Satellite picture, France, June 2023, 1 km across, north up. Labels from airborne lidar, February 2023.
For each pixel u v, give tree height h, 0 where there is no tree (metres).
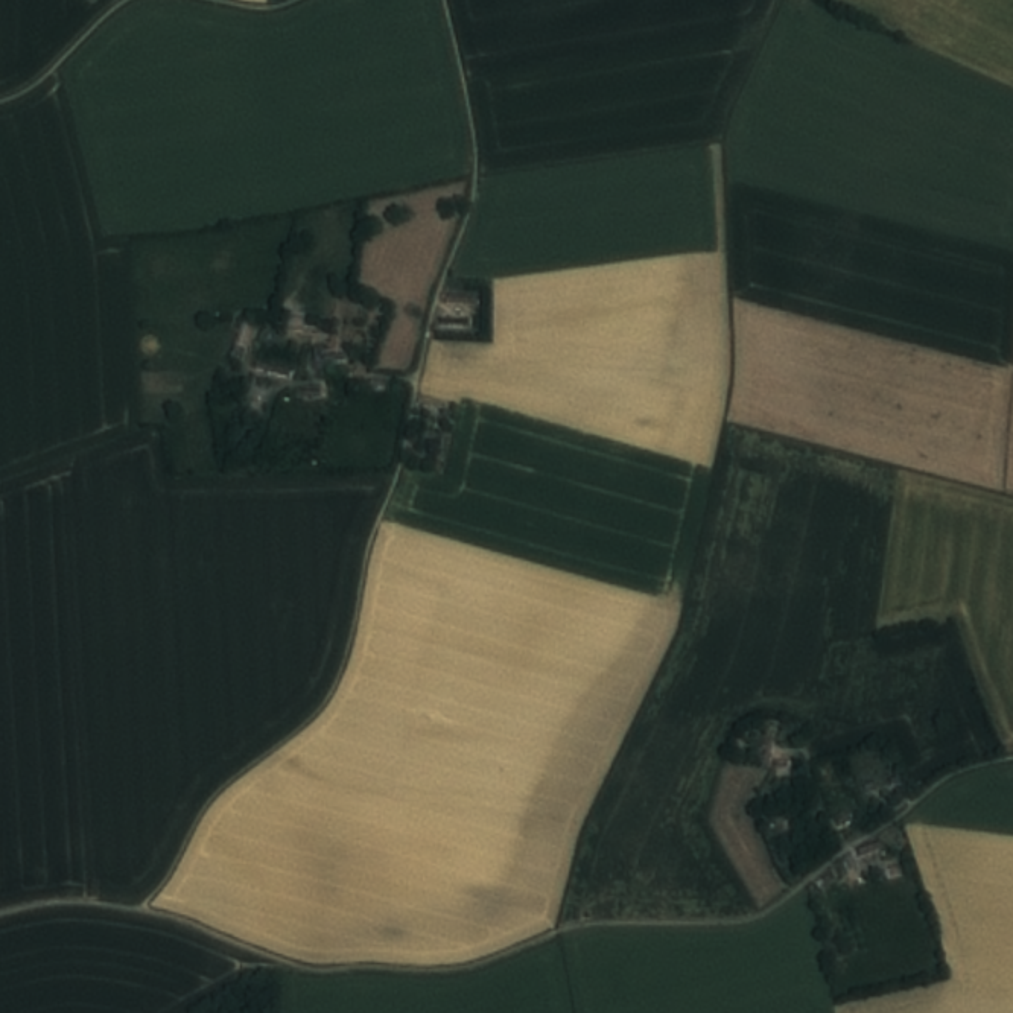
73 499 0
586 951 0
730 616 0
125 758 0
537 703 0
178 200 0
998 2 0
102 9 0
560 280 0
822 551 0
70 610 0
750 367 0
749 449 0
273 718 0
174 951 0
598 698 0
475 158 0
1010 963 0
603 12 0
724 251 0
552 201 0
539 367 0
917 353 0
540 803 0
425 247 0
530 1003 0
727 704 0
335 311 0
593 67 0
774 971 0
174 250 0
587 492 0
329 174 0
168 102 0
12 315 0
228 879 0
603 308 0
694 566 0
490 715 0
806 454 0
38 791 0
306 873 0
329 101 0
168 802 0
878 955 0
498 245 0
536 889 0
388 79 0
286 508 0
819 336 0
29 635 0
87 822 0
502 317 0
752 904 0
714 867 0
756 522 0
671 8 0
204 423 0
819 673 0
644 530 0
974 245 0
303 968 0
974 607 0
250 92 0
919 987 11
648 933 0
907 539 0
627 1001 0
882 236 0
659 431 0
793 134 0
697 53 0
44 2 0
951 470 0
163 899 0
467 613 0
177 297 0
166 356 0
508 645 0
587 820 0
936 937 10
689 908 0
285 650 0
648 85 0
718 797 0
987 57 0
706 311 0
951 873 0
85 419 0
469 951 0
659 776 0
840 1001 8
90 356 0
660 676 0
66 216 0
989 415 0
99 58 0
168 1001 0
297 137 0
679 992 0
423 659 0
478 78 0
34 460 0
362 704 0
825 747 0
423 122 0
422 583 0
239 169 0
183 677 0
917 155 0
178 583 0
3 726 0
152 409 0
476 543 0
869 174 0
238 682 0
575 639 0
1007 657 0
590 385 0
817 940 13
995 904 0
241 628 0
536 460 0
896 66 0
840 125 0
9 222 0
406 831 0
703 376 0
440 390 0
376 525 0
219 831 0
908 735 0
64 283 0
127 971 0
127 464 0
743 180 0
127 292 0
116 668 0
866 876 7
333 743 0
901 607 0
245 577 0
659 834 0
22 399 0
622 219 0
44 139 0
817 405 0
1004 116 0
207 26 0
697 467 0
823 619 0
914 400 0
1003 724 0
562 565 0
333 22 0
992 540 0
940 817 0
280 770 0
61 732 0
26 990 0
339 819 0
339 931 0
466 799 0
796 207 0
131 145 0
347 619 0
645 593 0
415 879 0
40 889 0
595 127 0
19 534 0
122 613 0
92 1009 0
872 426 0
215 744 0
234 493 0
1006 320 0
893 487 0
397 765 0
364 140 0
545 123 0
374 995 0
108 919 0
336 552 0
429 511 0
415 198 0
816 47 0
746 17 0
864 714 0
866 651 0
